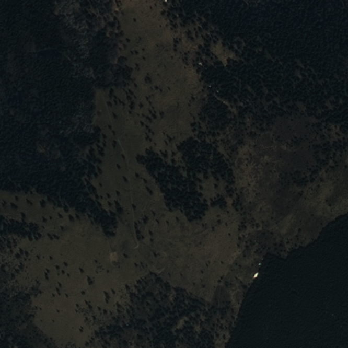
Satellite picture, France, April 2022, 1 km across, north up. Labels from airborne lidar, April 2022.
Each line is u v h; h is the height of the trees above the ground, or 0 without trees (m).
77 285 0
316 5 24
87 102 23
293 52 11
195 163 12
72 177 15
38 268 0
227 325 0
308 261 18
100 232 0
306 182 8
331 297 20
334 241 17
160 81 0
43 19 18
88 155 0
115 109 0
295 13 25
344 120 15
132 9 0
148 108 0
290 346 19
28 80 25
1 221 13
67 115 27
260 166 0
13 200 0
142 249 0
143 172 0
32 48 21
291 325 19
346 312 21
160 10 0
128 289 15
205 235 0
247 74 9
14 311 0
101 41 16
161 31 0
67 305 0
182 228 0
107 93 0
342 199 0
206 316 7
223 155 7
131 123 0
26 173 20
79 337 0
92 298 0
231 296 0
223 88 11
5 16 25
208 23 8
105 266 0
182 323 0
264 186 0
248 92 13
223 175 8
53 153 22
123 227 0
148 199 0
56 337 0
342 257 19
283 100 12
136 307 0
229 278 0
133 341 0
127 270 0
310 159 0
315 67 17
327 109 11
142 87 0
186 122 0
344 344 25
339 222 18
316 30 23
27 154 24
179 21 0
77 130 24
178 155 0
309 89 10
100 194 0
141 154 0
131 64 0
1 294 8
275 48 20
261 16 18
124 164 0
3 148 23
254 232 0
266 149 0
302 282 19
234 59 0
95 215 11
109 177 0
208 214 0
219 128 9
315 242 13
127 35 0
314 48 18
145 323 14
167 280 0
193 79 0
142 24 0
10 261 0
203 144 8
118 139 0
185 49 0
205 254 0
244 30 24
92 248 0
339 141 12
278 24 24
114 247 0
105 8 12
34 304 0
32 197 0
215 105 6
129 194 0
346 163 0
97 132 20
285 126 0
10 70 25
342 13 20
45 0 25
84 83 21
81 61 24
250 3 13
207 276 0
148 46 0
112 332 11
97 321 0
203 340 11
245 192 0
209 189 0
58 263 0
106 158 0
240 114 10
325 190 0
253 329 16
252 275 0
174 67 0
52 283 0
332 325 21
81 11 8
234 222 0
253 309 17
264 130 9
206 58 0
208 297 0
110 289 0
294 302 20
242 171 0
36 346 0
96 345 0
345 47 24
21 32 20
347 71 13
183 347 0
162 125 0
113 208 0
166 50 0
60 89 27
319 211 0
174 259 0
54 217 0
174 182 10
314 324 20
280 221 0
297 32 19
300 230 9
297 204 0
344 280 20
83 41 20
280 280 16
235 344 17
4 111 20
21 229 15
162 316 11
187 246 0
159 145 0
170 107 0
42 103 23
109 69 15
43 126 13
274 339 15
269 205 0
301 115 10
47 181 21
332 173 0
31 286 0
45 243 0
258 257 0
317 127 9
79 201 14
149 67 0
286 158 0
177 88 0
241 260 0
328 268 18
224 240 0
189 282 0
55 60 24
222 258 0
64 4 22
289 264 14
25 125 22
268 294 16
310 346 20
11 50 17
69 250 0
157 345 11
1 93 21
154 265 0
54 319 0
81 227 0
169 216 0
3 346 11
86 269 0
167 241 0
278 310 19
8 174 20
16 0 23
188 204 11
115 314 0
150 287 0
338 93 15
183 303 10
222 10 15
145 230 0
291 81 10
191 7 15
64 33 16
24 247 0
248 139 0
